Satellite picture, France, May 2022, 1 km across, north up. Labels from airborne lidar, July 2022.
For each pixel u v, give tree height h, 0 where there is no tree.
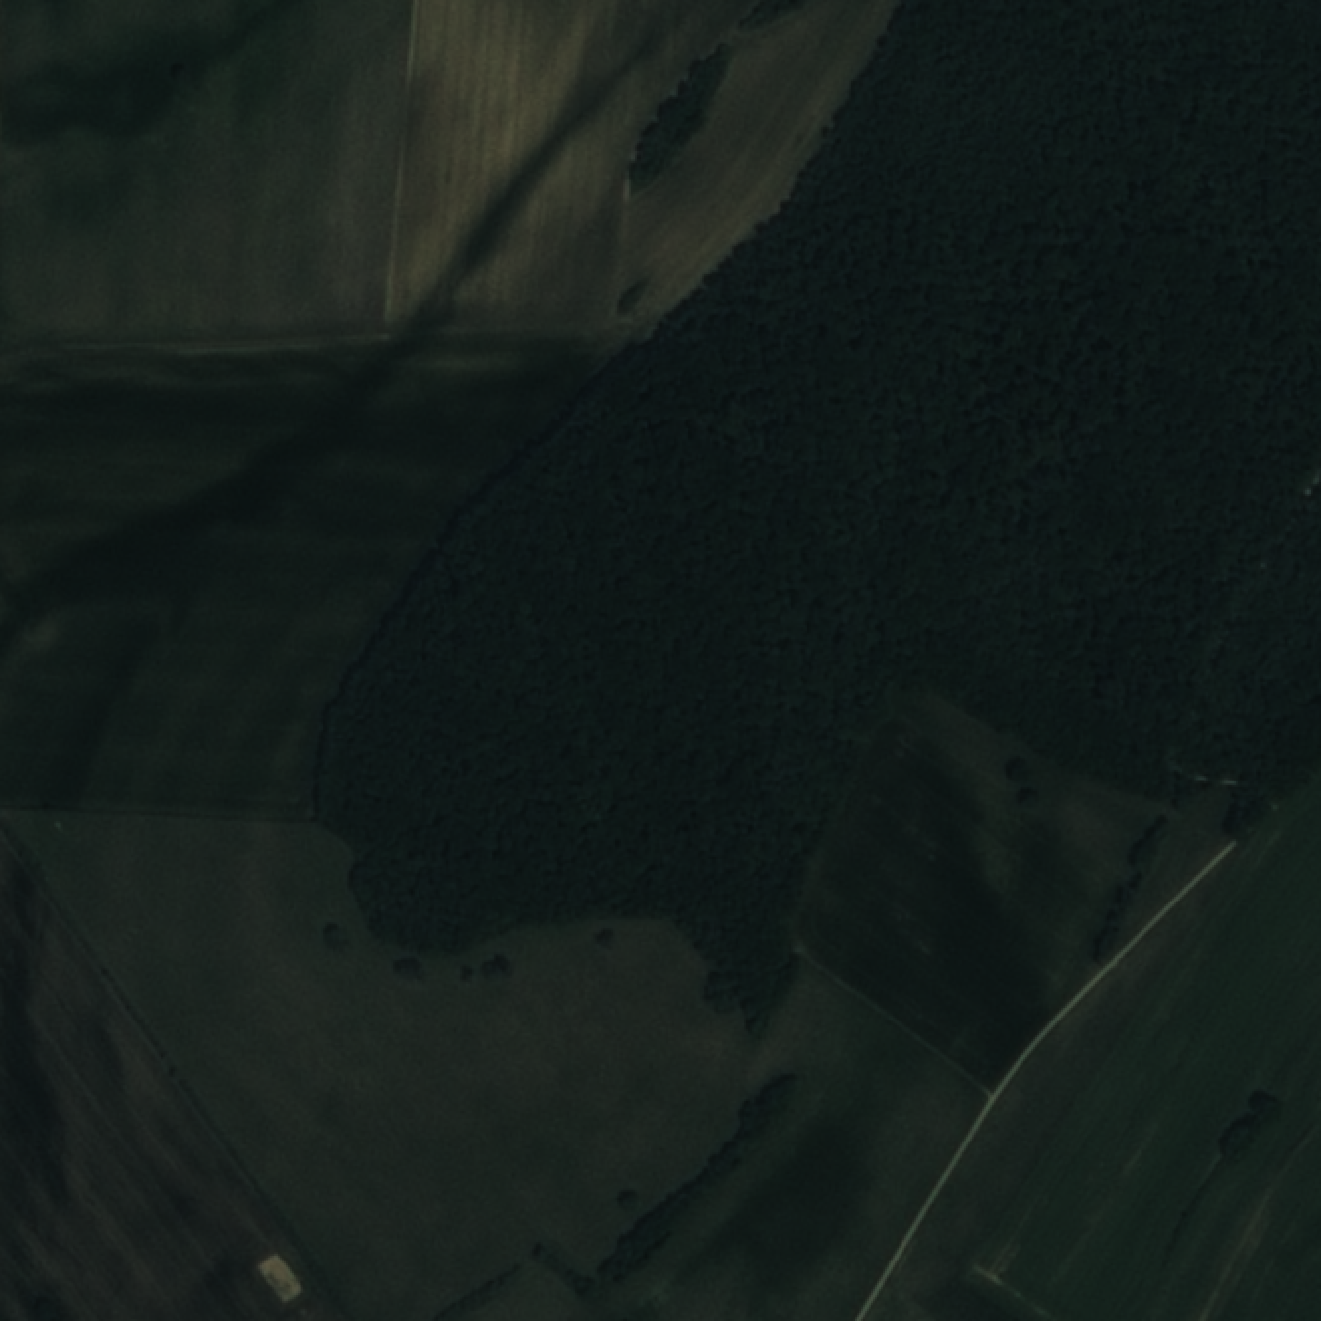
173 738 0
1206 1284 0
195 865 0
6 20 0
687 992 0
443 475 0
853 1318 0
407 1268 0
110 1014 0
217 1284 0
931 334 16
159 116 0
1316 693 23
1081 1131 0
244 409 0
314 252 0
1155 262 17
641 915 9
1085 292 11
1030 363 11
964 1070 0
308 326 0
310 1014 0
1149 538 18
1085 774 17
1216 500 13
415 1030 0
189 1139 0
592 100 0
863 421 14
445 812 17
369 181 0
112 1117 0
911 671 19
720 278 12
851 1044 0
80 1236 0
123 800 0
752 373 20
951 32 12
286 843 0
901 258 12
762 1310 0
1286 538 13
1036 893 0
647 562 22
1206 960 0
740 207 0
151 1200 0
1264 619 13
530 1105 0
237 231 0
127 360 0
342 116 0
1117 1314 0
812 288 17
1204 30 15
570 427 13
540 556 20
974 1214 0
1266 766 17
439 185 0
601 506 21
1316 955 0
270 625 0
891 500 17
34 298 0
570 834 18
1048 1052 0
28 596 0
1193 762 15
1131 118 13
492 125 0
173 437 0
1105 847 0
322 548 0
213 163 0
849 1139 0
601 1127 0
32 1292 0
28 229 0
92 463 0
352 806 15
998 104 7
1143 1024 0
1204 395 18
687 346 15
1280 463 13
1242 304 19
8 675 0
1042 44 11
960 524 15
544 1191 0
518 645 19
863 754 12
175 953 0
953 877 0
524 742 19
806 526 17
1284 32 18
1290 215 16
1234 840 15
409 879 15
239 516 0
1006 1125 0
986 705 14
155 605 0
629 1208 9
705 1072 0
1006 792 0
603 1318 0
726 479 23
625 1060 0
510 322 0
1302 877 0
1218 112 17
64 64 0
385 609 0
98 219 0
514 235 0
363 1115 0
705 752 14
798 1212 0
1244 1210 0
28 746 0
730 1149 10
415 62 0
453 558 15
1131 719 15
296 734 0
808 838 15
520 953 0
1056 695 16
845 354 19
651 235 0
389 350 0
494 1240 0
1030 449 21
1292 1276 0
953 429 18
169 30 0
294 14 0
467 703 16
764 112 0
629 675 17
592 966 0
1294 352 12
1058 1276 0
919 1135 0
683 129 6
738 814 13
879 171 12
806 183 9
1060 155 13
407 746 16
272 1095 0
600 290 0
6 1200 0
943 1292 0
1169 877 0
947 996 0
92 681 0
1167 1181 0
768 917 12
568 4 0
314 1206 0
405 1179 0
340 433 0
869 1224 0
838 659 17
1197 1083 0
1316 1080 0
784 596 14
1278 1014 0
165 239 0
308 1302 0
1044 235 15
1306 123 15
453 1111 0
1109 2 12
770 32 0
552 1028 0
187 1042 0
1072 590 18
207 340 0
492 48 0
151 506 0
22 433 0
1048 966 0
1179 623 15
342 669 0
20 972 0
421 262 0
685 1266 0
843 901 0
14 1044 0
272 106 0
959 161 9
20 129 0
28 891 0
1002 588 14
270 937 0
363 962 0
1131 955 0
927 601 21
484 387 0
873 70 11
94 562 0
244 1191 0
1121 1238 0
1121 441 20
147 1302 0
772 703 17
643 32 0
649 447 22
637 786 15
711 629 15
